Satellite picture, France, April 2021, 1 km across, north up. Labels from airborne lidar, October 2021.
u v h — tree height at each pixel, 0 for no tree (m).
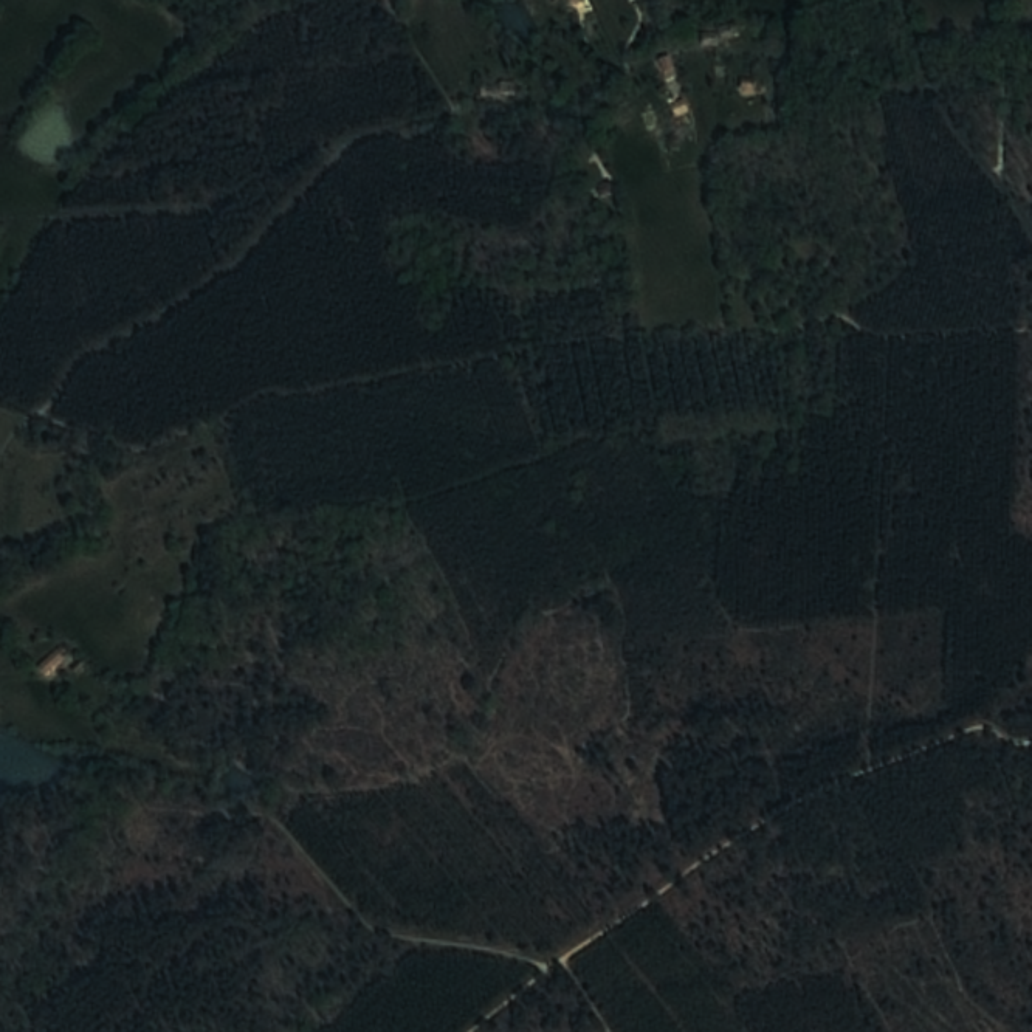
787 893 10
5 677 0
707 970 8
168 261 9
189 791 12
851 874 8
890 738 14
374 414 9
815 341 14
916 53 11
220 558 18
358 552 18
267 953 10
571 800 0
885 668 0
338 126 13
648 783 0
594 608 17
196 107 23
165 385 13
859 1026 10
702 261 0
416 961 12
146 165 27
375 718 9
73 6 0
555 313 11
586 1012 16
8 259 0
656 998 12
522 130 14
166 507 7
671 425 17
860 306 8
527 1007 14
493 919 7
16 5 0
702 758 21
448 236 10
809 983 11
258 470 10
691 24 16
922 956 9
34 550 21
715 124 0
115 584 7
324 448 10
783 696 10
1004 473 12
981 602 12
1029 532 11
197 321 14
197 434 15
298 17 14
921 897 21
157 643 9
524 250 10
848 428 14
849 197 15
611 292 13
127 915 20
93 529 21
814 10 19
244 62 15
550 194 14
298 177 20
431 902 11
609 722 8
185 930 22
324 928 13
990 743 14
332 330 12
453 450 12
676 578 9
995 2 11
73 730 0
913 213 10
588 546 10
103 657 0
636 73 11
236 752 22
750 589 12
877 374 12
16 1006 16
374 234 13
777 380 14
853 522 15
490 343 14
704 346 17
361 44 21
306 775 14
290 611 17
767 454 13
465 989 13
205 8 17
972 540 14
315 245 13
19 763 0
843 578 13
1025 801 19
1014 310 9
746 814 22
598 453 11
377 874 11
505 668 10
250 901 20
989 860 6
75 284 9
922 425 12
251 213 18
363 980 17
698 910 9
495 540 11
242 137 20
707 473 9
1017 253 9
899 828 21
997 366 12
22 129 7
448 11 0
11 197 0
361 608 19
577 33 13
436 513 10
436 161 14
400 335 15
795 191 14
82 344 10
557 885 8
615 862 19
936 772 20
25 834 16
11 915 13
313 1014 12
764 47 11
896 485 12
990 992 7
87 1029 21
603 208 15
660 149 0
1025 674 18
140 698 16
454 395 11
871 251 17
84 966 11
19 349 13
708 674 11
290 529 18
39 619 0
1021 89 16
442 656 14
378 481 11
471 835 7
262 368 13
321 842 14
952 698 10
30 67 0
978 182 6
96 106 0
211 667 18
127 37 0
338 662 11
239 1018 18
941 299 9
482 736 15
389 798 11
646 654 6
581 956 7
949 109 24
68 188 17
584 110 19
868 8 18
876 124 18
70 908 16
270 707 21
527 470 11
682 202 0
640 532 12
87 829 19
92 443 16
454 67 0
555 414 18
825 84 19
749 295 11
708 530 10
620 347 15
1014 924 6
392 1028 13
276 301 14
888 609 11
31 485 0
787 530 13
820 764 13
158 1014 18
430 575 14
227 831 22
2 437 0
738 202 19
